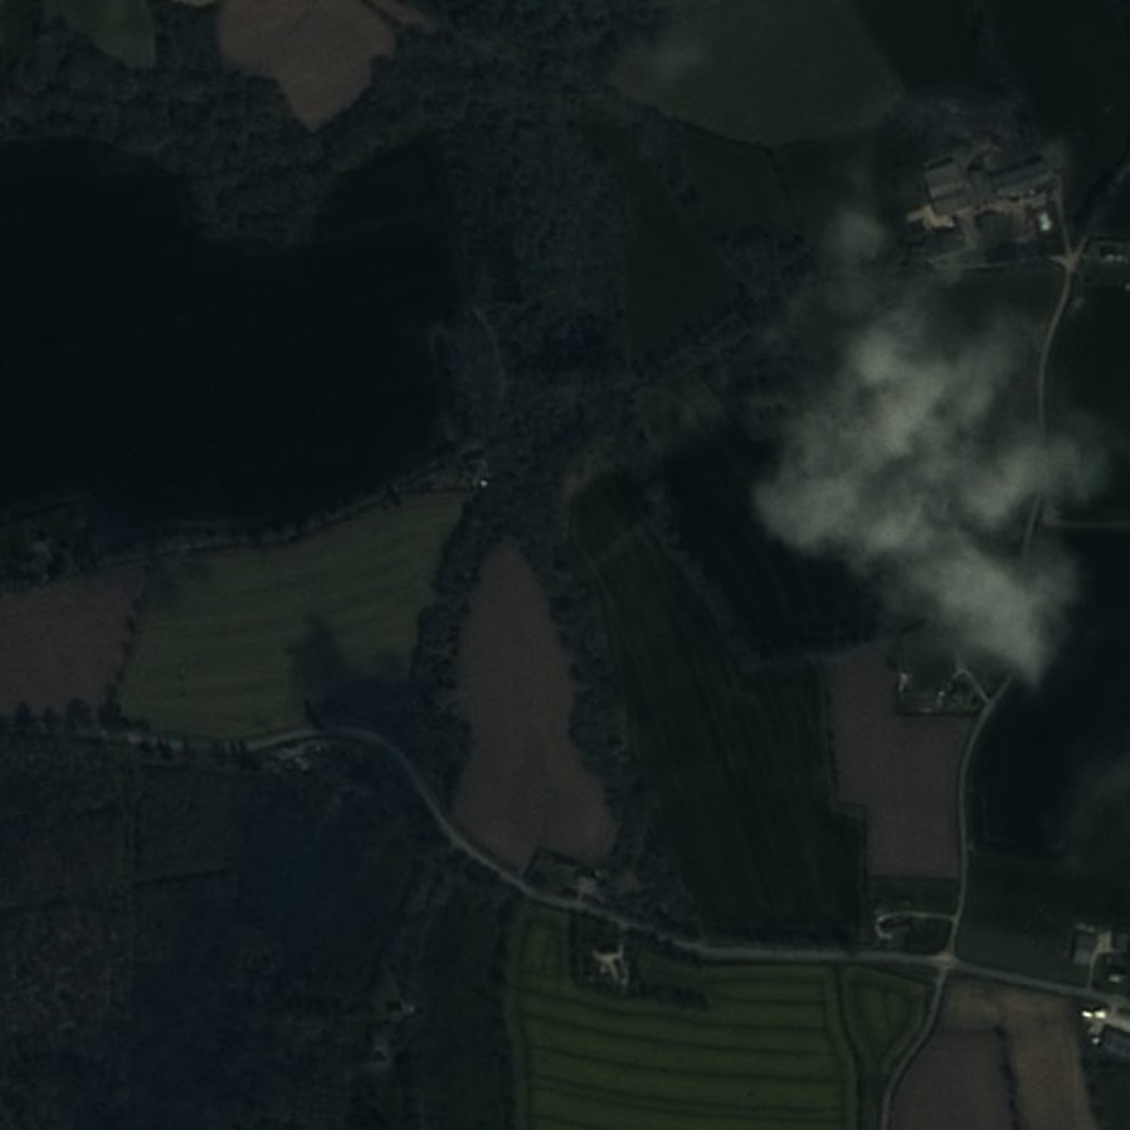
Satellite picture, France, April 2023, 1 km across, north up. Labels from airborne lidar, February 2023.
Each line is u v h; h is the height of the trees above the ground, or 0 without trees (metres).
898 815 0
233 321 0
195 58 8
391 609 0
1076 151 0
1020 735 0
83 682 0
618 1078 0
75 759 17
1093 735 0
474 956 0
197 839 7
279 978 10
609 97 18
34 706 0
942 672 0
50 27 7
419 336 0
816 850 0
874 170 0
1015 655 0
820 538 0
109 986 10
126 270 0
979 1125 0
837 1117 0
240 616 0
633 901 8
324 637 0
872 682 0
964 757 0
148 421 0
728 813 0
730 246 8
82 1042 15
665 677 0
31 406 0
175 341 0
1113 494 0
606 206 9
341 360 0
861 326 0
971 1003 0
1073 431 0
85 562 10
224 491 0
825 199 0
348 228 0
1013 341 0
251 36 0
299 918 23
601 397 16
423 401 0
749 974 0
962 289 0
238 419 0
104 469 0
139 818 8
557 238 8
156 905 11
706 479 0
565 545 0
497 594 0
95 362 0
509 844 0
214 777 9
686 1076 0
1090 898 0
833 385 0
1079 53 0
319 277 0
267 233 14
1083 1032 0
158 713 0
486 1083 0
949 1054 0
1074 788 0
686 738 0
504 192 12
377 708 17
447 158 8
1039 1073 0
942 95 0
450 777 14
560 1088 0
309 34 0
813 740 0
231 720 0
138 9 0
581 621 15
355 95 0
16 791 21
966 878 0
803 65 0
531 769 0
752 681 0
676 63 0
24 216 0
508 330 9
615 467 0
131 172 0
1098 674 0
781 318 17
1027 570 0
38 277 0
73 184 0
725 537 0
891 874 0
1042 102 0
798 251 6
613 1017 0
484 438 18
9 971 12
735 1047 0
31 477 0
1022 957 0
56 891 8
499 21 13
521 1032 0
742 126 0
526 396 17
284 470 0
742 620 0
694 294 0
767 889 0
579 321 11
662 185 0
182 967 12
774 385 15
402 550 0
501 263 14
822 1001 0
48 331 0
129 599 0
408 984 9
